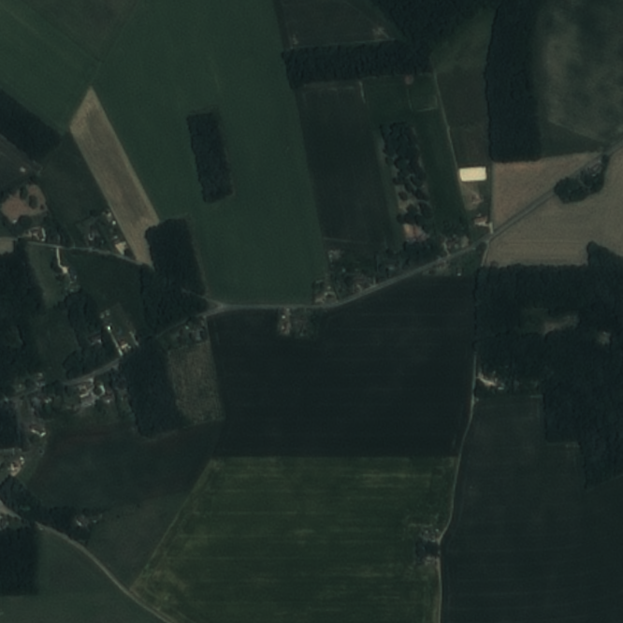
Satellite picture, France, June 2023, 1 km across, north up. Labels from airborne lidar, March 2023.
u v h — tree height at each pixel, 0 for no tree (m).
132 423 0
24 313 22
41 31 0
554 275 20
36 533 10
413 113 0
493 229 0
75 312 18
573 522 0
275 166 0
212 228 0
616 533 0
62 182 0
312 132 0
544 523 0
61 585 0
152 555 0
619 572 0
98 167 0
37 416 18
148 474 0
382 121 0
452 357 0
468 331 0
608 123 0
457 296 0
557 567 0
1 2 0
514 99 20
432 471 0
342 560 0
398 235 0
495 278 20
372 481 0
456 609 0
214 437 0
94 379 6
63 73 0
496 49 17
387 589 0
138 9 0
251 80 0
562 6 0
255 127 0
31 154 12
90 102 0
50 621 0
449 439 0
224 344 0
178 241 23
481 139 0
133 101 0
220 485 0
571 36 0
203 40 0
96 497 0
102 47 0
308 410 0
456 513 0
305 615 0
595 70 0
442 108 0
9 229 12
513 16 17
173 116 0
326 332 0
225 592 0
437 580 0
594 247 19
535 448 0
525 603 0
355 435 0
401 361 0
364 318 0
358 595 0
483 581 0
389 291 0
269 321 0
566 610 0
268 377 0
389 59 23
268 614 0
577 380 19
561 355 17
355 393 0
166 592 0
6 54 0
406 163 19
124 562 0
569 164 0
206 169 21
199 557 0
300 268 0
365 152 0
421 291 0
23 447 22
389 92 0
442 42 20
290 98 0
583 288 24
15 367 22
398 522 0
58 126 0
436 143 0
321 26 0
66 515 17
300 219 0
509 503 0
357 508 0
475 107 0
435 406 0
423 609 0
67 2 0
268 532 0
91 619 0
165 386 21
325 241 0
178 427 16
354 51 14
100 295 0
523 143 21
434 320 0
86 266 0
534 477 0
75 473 0
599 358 17
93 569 0
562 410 19
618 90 0
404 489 0
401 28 9
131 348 0
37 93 0
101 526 0
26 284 12
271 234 0
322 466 0
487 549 0
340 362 0
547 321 0
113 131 0
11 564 24
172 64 0
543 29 0
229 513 0
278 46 0
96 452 0
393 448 0
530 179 0
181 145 0
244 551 0
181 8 0
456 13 21
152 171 0
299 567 0
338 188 0
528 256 0
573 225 0
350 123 0
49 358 0
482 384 13
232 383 0
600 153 0
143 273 16
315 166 0
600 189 13
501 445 0
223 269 0
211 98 0
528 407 0
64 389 16
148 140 0
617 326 11
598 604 0
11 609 0
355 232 0
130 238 0
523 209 0
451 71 0
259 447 0
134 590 0
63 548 0
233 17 0
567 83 0
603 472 10
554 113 0
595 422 12
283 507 0
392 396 0
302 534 0
